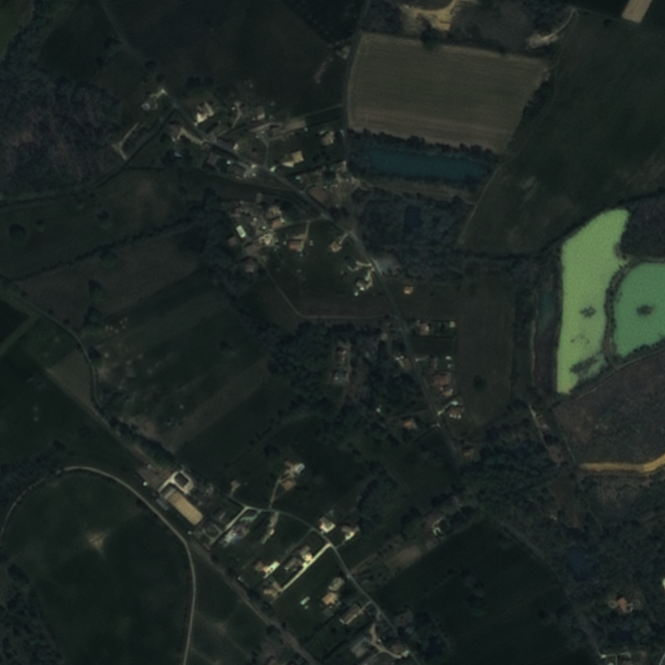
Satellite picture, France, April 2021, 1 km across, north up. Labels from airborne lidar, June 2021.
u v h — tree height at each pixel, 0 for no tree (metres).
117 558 0
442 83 0
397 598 0
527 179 0
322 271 0
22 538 0
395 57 0
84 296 0
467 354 0
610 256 0
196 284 0
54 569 0
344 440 25
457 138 0
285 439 0
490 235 0
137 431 13
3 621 17
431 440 0
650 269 0
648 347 7
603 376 7
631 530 12
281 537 0
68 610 0
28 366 0
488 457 19
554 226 0
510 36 0
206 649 0
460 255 14
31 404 0
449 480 0
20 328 0
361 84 0
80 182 16
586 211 0
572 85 0
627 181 0
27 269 0
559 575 14
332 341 17
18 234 17
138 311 0
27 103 16
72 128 24
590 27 0
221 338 0
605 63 0
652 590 15
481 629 0
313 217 0
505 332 0
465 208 14
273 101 0
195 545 0
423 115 0
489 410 0
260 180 0
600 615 17
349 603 17
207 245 21
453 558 0
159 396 0
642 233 16
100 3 0
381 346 11
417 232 8
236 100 0
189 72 0
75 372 0
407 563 0
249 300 0
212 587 0
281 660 0
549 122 0
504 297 0
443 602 0
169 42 0
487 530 0
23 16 0
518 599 0
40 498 0
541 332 0
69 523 0
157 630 0
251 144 0
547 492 12
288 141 0
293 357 21
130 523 0
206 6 0
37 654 11
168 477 0
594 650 9
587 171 0
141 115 0
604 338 0
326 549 0
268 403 0
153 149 0
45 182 22
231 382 0
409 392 17
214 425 0
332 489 0
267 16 0
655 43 0
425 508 0
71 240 0
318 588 0
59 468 0
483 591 21
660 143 0
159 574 0
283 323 0
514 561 0
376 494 20
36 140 16
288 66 0
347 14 0
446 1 0
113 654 0
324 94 0
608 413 6
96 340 0
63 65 0
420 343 0
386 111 0
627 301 0
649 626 23
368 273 0
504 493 10
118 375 0
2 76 17
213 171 10
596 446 7
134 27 0
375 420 6
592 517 8
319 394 13
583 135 0
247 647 0
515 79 0
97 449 0
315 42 0
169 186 0
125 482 0
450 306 0
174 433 0
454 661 0
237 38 0
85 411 0
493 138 0
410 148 11
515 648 0
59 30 0
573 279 0
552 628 0
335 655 8
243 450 0
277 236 0
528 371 0
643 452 7
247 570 0
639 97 0
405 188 0
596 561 11
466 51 0
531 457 20
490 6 0
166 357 0
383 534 0
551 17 13
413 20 0
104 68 18
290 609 0
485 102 0
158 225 0
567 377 0
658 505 9
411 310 0
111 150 13
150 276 0
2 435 0
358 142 13
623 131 0
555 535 18
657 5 0
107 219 18
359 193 9
